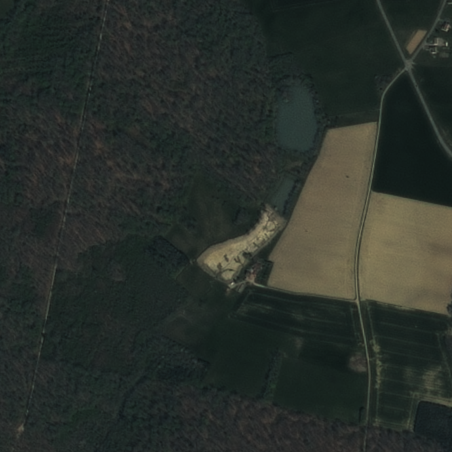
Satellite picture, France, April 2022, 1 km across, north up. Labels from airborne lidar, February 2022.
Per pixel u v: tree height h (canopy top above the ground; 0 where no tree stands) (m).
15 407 29
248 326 0
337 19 0
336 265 0
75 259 26
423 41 0
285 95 16
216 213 0
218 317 0
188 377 12
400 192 0
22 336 28
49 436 21
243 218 21
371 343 0
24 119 30
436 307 0
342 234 0
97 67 27
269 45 0
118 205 29
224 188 23
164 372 11
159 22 25
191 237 0
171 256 23
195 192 0
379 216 0
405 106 0
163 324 16
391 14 0
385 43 0
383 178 0
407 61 0
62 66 29
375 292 0
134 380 23
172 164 31
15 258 22
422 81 0
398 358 0
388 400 0
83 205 29
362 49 0
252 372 0
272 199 0
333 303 0
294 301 0
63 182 28
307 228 0
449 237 0
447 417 13
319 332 0
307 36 0
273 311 0
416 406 0
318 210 0
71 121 27
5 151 25
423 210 0
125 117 27
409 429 0
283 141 0
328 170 0
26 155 30
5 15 0
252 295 0
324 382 0
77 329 23
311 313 0
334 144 0
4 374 30
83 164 0
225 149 33
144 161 32
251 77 25
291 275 0
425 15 0
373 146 0
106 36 24
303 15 0
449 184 0
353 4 0
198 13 28
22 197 21
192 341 0
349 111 0
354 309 0
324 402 0
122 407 6
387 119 0
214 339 0
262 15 0
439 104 0
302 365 0
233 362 0
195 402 26
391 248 0
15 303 19
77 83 29
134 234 25
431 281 0
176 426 28
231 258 0
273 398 15
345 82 0
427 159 0
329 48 0
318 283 0
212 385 0
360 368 0
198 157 30
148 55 29
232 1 24
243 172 32
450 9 0
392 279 0
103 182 26
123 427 10
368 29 0
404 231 0
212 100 32
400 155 0
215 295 0
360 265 0
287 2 0
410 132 0
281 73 13
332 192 0
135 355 26
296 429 18
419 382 0
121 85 26
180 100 27
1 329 26
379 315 0
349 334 0
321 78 0
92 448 20
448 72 0
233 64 29
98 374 28
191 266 0
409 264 0
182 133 30
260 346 0
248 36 30
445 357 0
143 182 12
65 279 29
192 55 29
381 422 0
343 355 0
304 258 0
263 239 0
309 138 0
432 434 14
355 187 0
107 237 22
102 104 25
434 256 0
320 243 0
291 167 0
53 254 23
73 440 18
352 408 0
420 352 0
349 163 0
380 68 0
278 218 0
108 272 16
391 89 0
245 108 35
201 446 27
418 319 0
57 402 30
